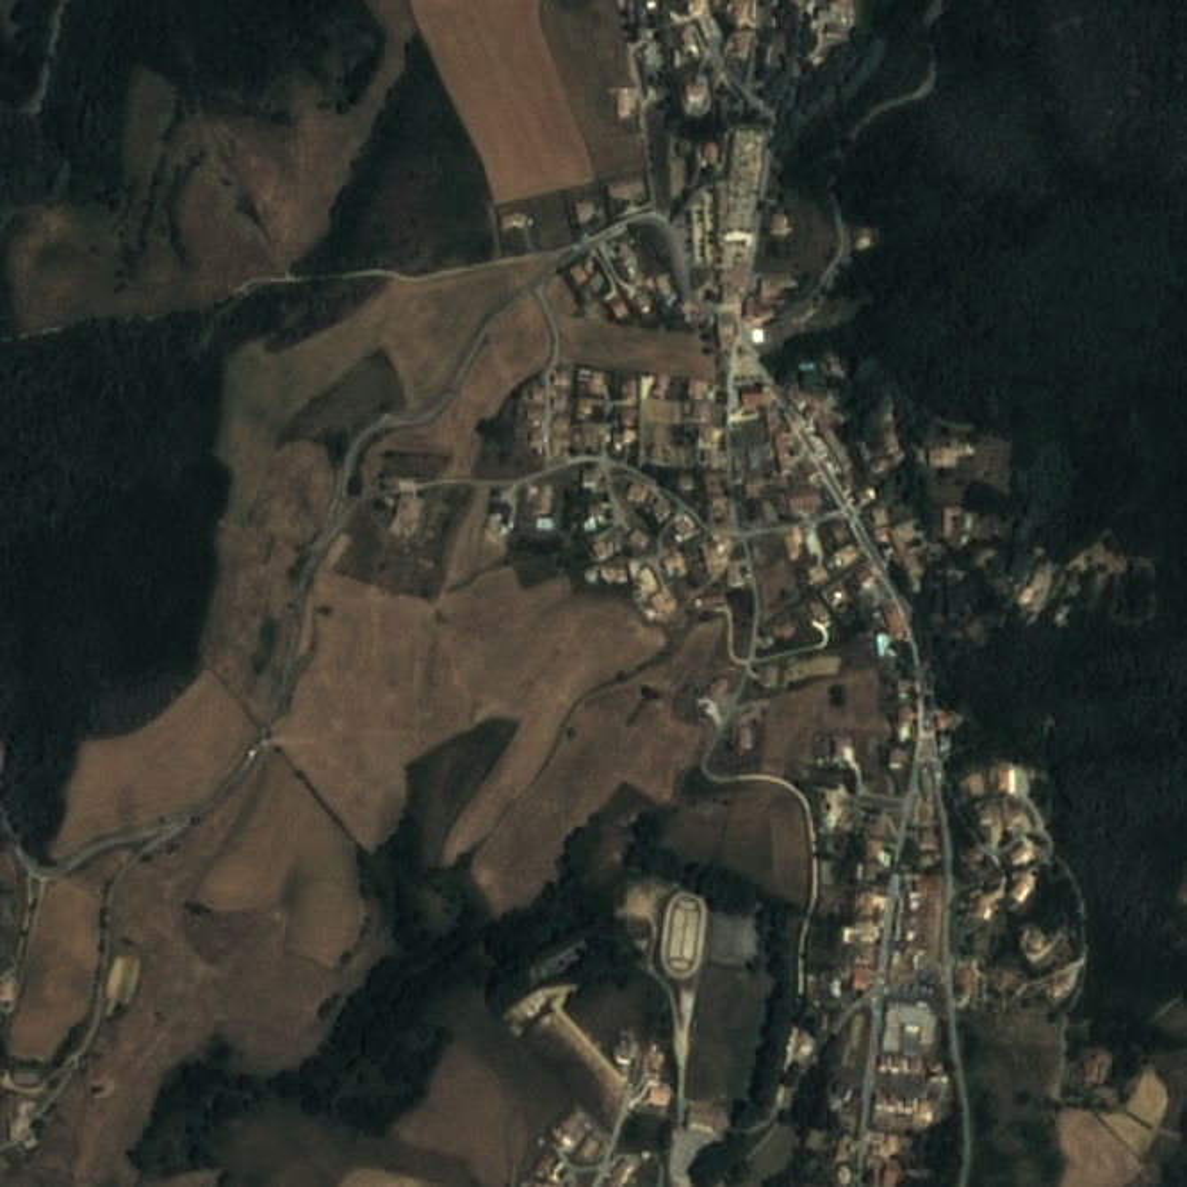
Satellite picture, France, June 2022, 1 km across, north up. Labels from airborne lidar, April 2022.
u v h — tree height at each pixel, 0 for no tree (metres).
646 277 0
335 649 0
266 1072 0
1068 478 11
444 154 0
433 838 0
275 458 0
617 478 0
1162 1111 0
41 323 0
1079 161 12
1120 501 12
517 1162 0
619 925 9
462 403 0
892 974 0
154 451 15
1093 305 11
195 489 11
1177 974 10
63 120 10
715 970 0
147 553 10
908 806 0
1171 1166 7
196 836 0
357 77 9
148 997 0
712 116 7
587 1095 0
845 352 11
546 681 0
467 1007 0
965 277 15
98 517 13
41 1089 0
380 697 0
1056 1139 0
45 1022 0
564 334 0
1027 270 7
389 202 0
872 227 11
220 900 0
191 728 0
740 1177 9
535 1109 0
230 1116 15
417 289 0
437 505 0
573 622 0
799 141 8
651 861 24
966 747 14
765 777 0
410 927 12
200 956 0
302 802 0
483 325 0
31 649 12
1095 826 12
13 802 12
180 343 9
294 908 0
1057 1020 8
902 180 15
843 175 15
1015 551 13
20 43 8
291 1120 0
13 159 12
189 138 0
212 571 14
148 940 0
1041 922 7
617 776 0
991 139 9
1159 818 11
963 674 14
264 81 6
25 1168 0
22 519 10
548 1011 0
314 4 10
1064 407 13
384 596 0
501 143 0
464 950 11
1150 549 13
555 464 0
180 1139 0
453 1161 0
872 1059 0
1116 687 19
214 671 0
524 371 0
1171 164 8
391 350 0
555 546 7
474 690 0
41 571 15
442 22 0
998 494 10
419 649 0
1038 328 15
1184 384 12
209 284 0
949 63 15
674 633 0
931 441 11
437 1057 9
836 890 0
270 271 0
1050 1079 0
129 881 0
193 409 14
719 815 0
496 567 0
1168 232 14
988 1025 0
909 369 12
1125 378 15
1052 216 17
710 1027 0
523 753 0
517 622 0
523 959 17
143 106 0
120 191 8
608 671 0
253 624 0
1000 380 14
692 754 0
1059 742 15
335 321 7
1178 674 16
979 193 9
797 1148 7
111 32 8
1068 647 6
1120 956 9
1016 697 19
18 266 0
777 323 8
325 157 0
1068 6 8
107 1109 0
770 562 0
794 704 0
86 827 0
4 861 0
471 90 0
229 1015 0
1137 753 23
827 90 15
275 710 0
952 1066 11
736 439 0
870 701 0
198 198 0
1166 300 12
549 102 0
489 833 0
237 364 0
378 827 0
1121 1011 6
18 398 8
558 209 0
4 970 0
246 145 0
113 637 10
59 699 10
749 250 0
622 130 0
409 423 0
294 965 0
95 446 14
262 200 0
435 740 0
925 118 11
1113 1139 0
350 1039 18
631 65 0
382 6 0
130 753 0
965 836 12
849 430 12
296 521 0
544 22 0
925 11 14
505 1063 0
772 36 11
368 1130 7
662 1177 0
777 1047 20
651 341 0
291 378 0
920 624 7
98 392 11
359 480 7
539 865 0
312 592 0
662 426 0
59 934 0
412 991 6
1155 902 12
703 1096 0
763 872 0
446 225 0
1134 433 14
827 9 0
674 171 0
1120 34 10
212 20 14
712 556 0
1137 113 10
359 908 0
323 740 0
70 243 0
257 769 0
